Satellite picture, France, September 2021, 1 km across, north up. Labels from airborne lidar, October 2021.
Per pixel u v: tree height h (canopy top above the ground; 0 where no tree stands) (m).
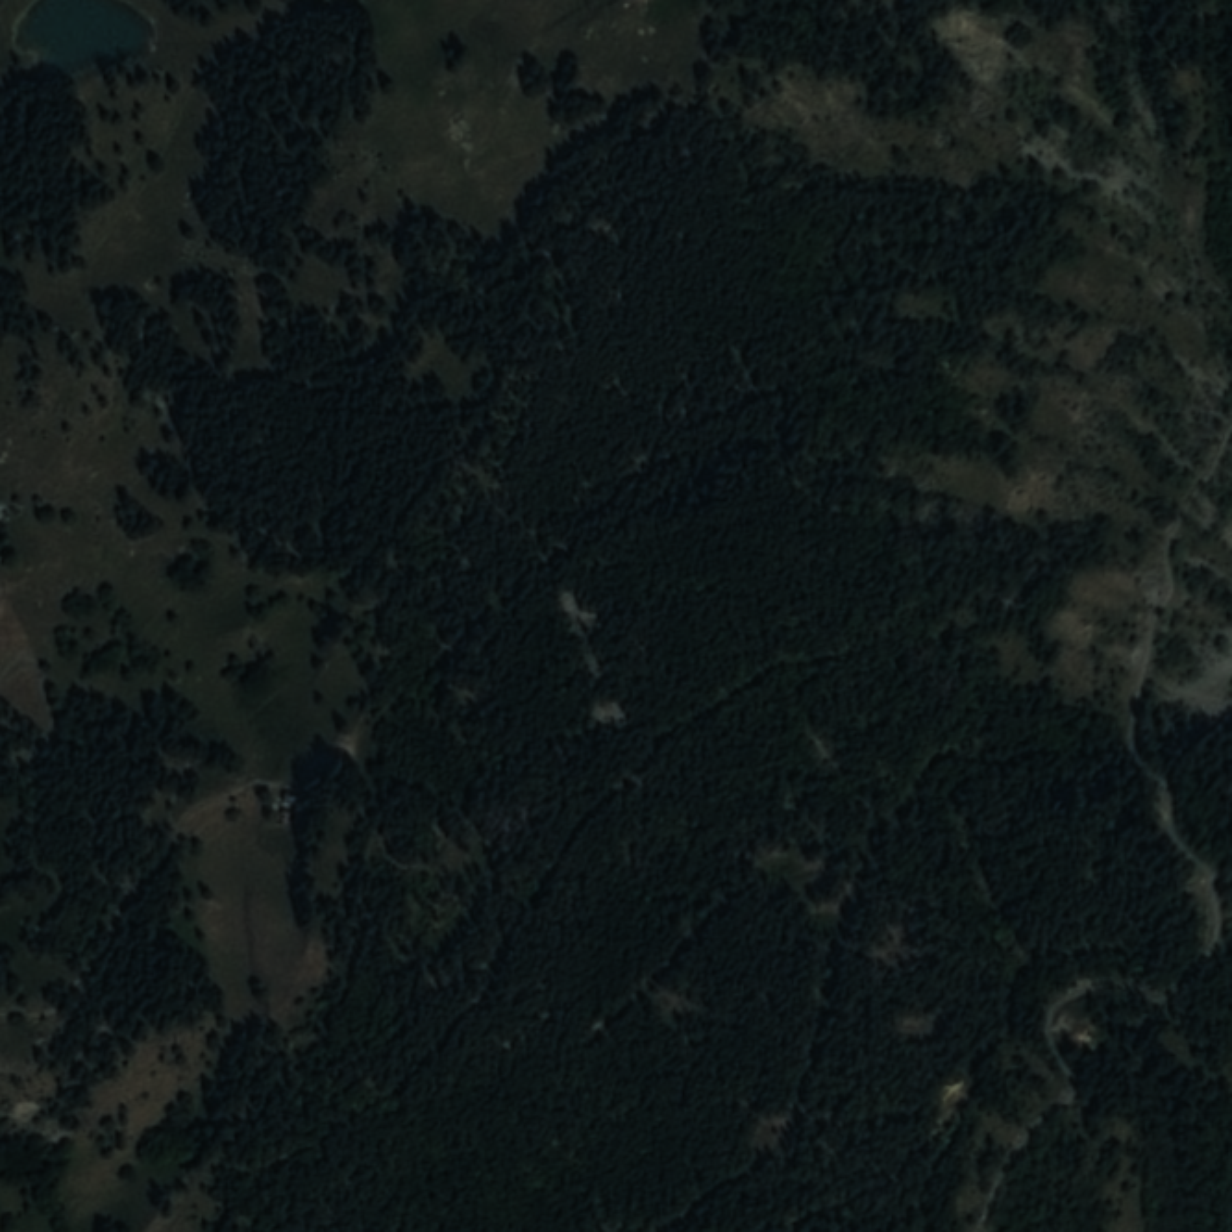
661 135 24
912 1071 25
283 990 0
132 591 0
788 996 27
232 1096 15
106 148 0
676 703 15
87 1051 10
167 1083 0
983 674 35
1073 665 0
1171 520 13
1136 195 12
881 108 30
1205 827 18
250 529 9
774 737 24
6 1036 0
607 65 0
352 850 16
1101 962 28
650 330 22
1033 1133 7
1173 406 11
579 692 15
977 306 15
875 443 26
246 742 0
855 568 16
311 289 0
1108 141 8
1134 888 18
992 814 22
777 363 19
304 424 20
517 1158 19
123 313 19
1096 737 13
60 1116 11
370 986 10
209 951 0
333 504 22
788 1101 23
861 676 12
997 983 8
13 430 0
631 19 0
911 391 31
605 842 17
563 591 11
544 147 0
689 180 24
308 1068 13
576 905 16
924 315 8
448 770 12
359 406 27
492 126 0
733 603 17
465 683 27
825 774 12
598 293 20
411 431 16
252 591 7
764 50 13
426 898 7
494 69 0
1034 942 25
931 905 22
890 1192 24
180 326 0
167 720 10
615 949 21
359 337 20
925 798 18
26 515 0
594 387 14
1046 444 12
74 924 11
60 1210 10
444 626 22
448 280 9
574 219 11
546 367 19
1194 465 13
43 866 10
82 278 0
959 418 14
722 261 22
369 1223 13
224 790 0
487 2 0
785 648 18
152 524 19
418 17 0
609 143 19
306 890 21
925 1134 20
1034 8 23
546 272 23
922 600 16
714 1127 21
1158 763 19
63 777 14
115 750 16
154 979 17
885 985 28
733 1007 25
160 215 0
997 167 0
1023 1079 13
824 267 9
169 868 18
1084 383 11
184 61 0
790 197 11
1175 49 7
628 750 19
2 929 0
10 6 0
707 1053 19
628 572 19
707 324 17
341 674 0
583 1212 13
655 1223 23
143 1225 0
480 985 21
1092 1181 7
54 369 0
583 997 15
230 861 0
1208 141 16
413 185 0
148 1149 17
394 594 17
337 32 13
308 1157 8
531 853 26
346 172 0
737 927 19
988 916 14
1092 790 8
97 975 18
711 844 17
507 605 22
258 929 0
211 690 0
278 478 22
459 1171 17
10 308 17
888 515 7
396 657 10
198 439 12
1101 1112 16
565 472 16
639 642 14
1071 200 10
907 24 17
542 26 0
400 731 12
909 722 13
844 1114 29
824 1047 25
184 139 0
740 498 18
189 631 0
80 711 8
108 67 11
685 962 24
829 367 14
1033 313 22
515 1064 18
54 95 16
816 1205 25
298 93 19
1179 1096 15
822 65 27
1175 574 7
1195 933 13
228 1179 16
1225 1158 13
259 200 21
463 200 0
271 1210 12
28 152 14
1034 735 19
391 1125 18
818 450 11
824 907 28
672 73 0
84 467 0
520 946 26
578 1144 9
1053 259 25
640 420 19
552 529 21
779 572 11
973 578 17
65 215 18
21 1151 16
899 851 16
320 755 0
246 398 17
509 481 12
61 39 0
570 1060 19
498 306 7
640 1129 15
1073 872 17
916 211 20
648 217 24
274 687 0
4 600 0
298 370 19
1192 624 7
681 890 21
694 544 17
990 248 27
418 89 0
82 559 0
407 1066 11
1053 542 12
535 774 25
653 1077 14
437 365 0
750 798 17
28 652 0
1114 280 0
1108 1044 6
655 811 20
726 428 26
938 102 27
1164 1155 12
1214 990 21
